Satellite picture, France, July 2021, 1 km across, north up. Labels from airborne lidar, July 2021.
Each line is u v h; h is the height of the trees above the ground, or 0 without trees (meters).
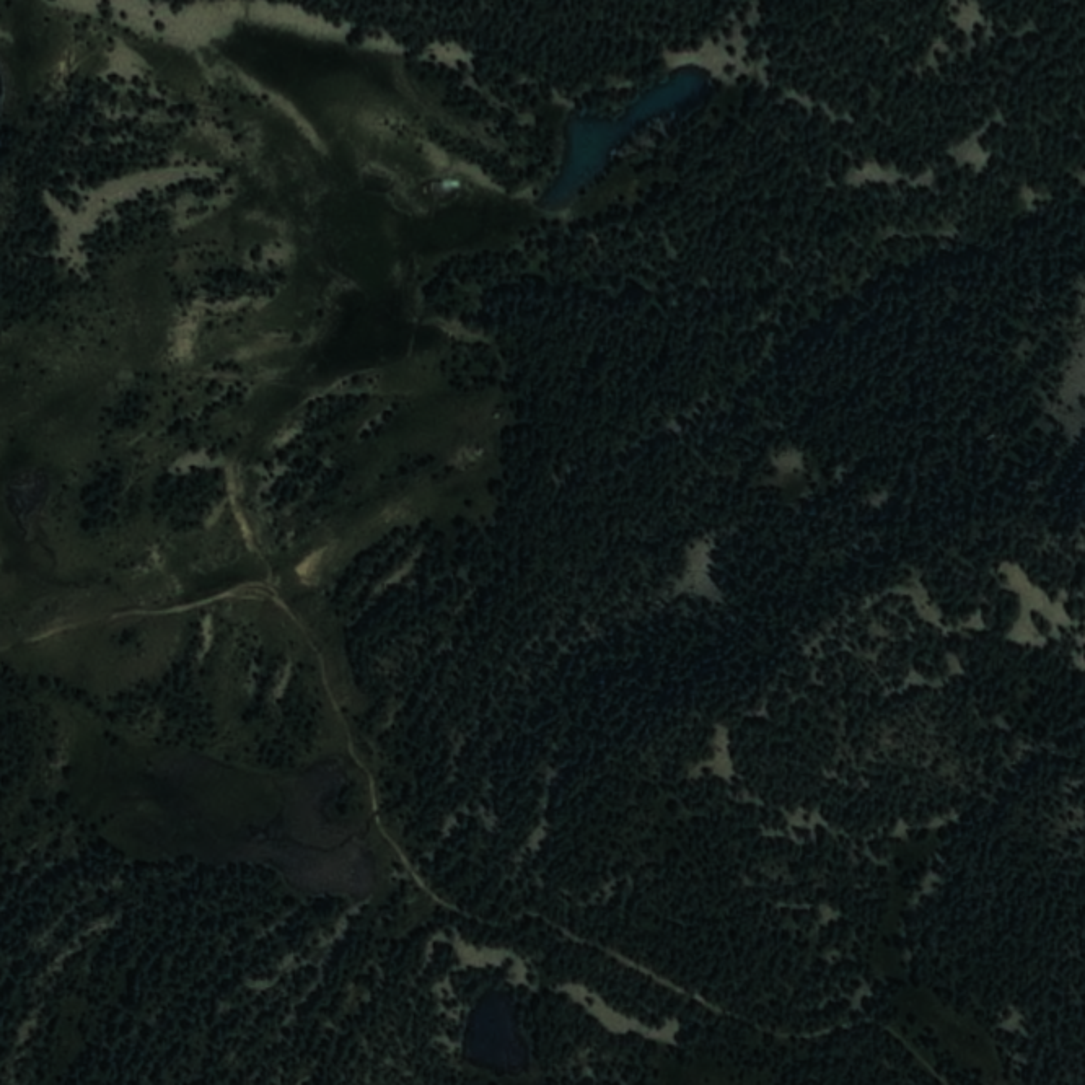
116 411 6
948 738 10
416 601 21
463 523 21
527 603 23
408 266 0
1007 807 15
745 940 19
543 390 23
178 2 13
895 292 30
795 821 0
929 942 20
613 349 29
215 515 0
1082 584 29
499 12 15
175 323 0
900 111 21
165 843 0
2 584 0
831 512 20
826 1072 14
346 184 0
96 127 14
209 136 0
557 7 20
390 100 0
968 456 20
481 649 17
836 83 17
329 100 0
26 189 13
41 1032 15
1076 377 0
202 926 10
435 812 15
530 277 16
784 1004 17
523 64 25
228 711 0
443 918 17
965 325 28
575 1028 12
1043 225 27
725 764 0
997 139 22
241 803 0
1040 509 10
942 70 12
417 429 0
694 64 0
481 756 17
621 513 25
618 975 15
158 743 10
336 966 16
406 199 0
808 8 20
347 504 0
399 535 8
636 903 18
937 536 12
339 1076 16
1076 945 20
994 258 28
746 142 25
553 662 11
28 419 0
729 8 25
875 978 6
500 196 0
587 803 14
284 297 0
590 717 12
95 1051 19
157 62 0
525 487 19
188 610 0
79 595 0
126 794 0
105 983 14
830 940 16
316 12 14
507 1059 0
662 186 20
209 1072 14
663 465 21
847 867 19
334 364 0
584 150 0
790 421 16
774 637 27
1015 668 26
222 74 0
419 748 17
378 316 0
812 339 31
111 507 9
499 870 16
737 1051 8
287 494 16
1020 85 20
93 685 0
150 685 7
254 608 0
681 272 20
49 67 0
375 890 0
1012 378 23
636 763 13
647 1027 14
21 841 9
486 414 0
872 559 19
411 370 0
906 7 18
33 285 13
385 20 17
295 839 0
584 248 22
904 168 26
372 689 13
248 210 0
